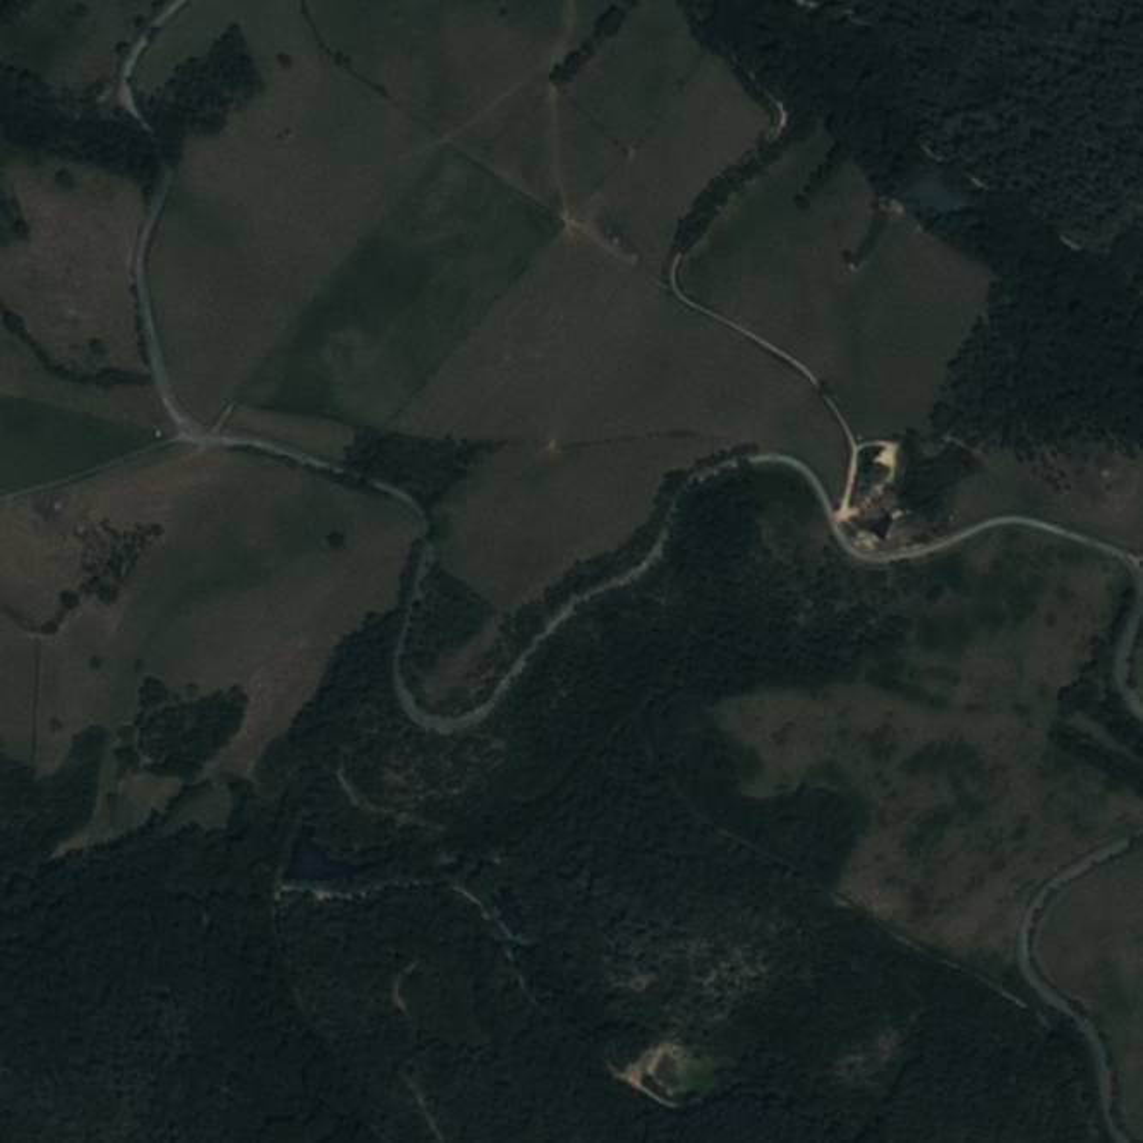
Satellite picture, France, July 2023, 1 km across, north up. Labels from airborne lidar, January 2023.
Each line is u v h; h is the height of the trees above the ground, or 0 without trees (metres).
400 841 8
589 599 11
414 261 0
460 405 0
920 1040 11
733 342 0
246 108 0
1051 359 20
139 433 0
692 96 0
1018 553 0
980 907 0
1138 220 9
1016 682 0
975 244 17
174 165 9
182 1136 15
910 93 21
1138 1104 0
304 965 14
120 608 0
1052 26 0
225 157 0
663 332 0
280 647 0
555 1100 13
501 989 19
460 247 0
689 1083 0
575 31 0
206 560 0
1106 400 18
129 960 22
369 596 0
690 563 19
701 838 15
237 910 23
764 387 0
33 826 11
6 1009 18
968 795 0
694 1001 8
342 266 0
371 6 0
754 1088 12
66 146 6
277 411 0
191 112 8
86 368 14
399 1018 10
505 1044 13
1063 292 22
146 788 0
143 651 0
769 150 11
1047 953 0
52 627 8
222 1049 20
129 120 14
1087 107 25
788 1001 14
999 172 21
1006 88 8
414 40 0
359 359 0
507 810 19
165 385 0
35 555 0
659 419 0
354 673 12
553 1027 17
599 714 18
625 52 0
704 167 0
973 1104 13
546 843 6
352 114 0
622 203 0
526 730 10
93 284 0
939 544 0
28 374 0
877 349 0
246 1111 26
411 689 9
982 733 0
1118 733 16
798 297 0
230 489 0
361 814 9
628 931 16
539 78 0
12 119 21
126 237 0
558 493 0
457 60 0
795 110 9
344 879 12
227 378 0
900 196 16
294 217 0
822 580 8
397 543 0
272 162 0
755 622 14
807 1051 18
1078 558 0
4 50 0
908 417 0
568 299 0
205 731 11
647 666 21
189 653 0
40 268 0
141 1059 16
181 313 0
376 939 16
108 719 0
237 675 0
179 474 0
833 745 0
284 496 0
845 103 26
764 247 0
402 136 0
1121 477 0
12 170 0
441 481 6
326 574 0
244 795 13
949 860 0
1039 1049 18
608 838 15
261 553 0
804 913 7
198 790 7
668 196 0
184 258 0
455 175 0
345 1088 15
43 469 0
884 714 0
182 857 18
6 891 23
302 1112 10
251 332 0
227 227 0
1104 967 0
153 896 19
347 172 0
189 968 23
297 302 0
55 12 0
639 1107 18
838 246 0
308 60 0
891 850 0
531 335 0
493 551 0
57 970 21
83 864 30
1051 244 20
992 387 10
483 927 12
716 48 10
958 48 20
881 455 0
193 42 0
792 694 0
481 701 9
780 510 0
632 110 0
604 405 0
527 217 0
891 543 0
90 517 0
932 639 0
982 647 0
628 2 14
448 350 0
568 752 16
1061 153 22
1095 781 0
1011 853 0
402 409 0
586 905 7
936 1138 11
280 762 0
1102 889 0
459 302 0
